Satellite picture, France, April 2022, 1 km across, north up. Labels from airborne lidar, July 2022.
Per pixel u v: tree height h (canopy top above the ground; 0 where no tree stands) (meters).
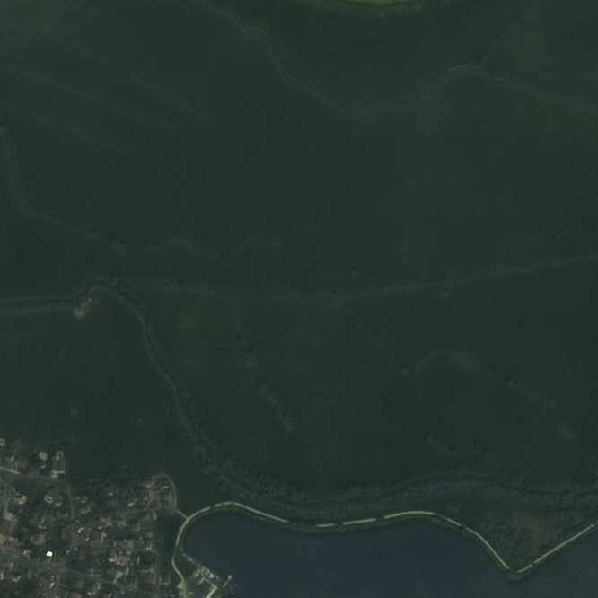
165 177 0
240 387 0
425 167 0
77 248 0
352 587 0
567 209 0
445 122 0
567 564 0
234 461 13
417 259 0
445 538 0
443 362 0
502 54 0
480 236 0
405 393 0
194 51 0
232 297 0
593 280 0
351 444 0
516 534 17
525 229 0
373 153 0
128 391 0
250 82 0
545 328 0
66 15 0
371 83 0
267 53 0
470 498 0
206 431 17
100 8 0
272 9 0
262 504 19
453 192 0
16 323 0
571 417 0
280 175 0
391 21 0
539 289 0
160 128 0
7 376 0
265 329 0
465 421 0
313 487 0
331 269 0
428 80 0
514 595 0
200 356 0
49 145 0
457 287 0
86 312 0
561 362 0
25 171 0
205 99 0
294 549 0
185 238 0
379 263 0
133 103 0
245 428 0
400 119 0
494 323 0
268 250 0
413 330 0
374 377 0
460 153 0
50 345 0
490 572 0
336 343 0
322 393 0
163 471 0
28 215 0
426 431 0
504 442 0
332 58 0
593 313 0
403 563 0
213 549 0
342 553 0
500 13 0
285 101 0
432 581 0
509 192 0
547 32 0
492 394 0
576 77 0
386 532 0
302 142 0
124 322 0
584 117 0
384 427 0
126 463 0
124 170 0
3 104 0
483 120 0
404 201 0
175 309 0
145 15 0
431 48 0
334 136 0
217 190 0
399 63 0
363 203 0
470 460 0
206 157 0
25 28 0
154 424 0
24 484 0
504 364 0
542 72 0
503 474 14
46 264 0
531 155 0
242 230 0
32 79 0
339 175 0
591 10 0
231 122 0
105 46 0
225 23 0
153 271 0
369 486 10
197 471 0
